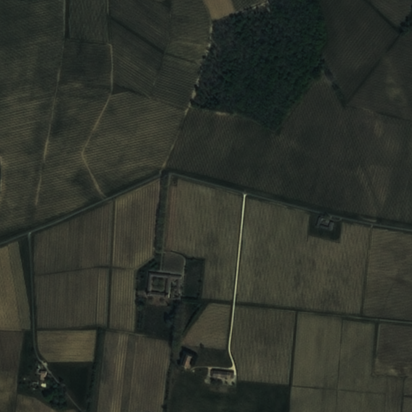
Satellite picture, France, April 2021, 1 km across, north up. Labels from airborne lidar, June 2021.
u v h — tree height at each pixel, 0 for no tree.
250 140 0
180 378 0
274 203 0
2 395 0
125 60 0
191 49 0
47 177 0
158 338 0
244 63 19
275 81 23
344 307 0
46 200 0
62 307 0
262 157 0
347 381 0
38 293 0
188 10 0
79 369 0
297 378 0
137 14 0
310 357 0
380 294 0
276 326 0
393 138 0
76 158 0
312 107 0
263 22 15
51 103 0
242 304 0
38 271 0
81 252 0
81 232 0
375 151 0
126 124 0
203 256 0
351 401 0
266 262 0
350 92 0
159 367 0
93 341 0
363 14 0
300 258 0
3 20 0
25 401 0
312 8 24
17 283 0
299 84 28
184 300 10
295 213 0
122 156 0
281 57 23
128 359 0
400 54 0
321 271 0
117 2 0
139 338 0
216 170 0
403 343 0
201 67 0
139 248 0
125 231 0
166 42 0
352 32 0
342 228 0
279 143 0
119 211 0
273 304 0
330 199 0
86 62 0
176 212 0
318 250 0
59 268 0
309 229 0
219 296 0
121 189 0
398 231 0
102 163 0
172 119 0
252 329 0
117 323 0
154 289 15
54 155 0
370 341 0
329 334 0
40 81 0
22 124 0
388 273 0
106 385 0
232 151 0
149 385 0
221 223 0
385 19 0
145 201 0
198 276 0
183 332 22
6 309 0
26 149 0
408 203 0
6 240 0
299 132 0
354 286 0
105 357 0
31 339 0
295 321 0
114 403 0
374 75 0
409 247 0
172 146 0
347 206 0
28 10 0
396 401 0
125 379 0
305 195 0
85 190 0
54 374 0
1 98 0
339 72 0
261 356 0
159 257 18
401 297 0
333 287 0
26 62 0
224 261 0
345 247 0
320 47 21
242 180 0
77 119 0
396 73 0
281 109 20
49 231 0
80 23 0
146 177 0
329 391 0
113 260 0
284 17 19
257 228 0
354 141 0
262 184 0
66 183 0
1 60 0
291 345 0
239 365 0
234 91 19
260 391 0
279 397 0
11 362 0
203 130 0
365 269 0
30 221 0
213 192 0
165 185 19
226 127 0
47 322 0
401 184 0
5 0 0
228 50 21
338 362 0
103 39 0
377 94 0
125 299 0
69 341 0
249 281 0
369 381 0
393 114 0
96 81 0
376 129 0
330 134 0
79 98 0
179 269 0
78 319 0
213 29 11
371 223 0
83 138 0
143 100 0
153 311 0
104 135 0
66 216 0
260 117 22
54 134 0
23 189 0
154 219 0
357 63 0
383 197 0
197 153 0
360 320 0
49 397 24
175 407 0
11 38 0
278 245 0
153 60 0
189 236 0
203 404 0
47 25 0
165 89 0
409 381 0
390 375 0
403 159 0
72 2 0
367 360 0
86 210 0
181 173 0
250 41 17
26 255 0
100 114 0
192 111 0
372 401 0
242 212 0
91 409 7
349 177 0
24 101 0
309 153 0
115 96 0
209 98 10
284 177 0
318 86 0
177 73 0
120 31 0
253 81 20
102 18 0
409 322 0
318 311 0
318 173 0
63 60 0
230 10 0
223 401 0
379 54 0
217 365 0
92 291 0
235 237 0
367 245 0
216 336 0
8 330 0
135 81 0
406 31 14
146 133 0
